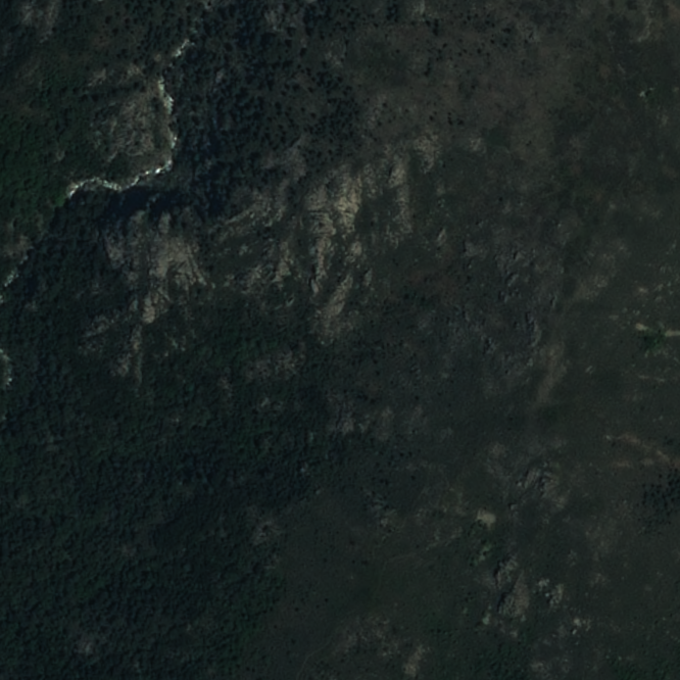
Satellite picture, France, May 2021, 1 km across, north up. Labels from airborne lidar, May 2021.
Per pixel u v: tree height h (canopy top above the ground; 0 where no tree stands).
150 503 11
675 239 0
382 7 0
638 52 0
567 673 0
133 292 6
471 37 0
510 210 0
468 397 0
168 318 6
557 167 0
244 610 12
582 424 0
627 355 0
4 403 9
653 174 0
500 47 0
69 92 22
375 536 0
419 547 9
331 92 12
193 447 14
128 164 9
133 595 17
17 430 18
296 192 12
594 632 0
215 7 24
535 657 0
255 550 8
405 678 10
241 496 10
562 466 0
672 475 10
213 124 8
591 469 0
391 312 7
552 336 0
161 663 15
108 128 9
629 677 6
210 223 11
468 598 8
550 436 0
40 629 14
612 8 0
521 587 0
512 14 0
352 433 6
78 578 24
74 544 15
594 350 0
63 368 28
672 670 7
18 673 9
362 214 0
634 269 0
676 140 0
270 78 20
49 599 17
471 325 0
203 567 14
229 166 25
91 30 7
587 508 0
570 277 0
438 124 0
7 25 9
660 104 0
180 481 9
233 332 12
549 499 0
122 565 13
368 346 6
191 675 8
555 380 0
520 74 0
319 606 6
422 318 0
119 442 23
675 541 0
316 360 12
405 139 0
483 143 0
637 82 0
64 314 20
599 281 0
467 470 0
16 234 9
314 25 19
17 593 18
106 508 13
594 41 0
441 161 0
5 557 18
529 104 0
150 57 15
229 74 9
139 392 9
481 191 0
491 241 0
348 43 10
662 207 0
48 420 16
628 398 0
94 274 8
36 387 15
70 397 28
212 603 10
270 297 6
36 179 14
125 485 10
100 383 6
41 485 18
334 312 0
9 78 10
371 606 0
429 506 0
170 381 12
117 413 10
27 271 27
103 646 6
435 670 6
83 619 9
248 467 10
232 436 18
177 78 16
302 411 8
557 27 0
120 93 16
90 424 10
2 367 12
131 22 14
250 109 22
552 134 0
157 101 22
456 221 0
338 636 0
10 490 18
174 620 6
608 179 0
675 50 0
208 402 9
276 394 12
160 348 9
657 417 0
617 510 0
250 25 17
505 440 0
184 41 25
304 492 8
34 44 7
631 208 0
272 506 11
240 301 7
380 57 0
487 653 11
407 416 0
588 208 0
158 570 16
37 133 16
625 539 0
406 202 0
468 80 0
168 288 6
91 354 6
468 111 0
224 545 7
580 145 0
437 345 0
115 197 10
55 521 14
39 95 8
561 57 0
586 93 0
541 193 0
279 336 6
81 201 10
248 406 10
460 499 0
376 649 7
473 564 8
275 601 7
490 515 0
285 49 21
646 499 8
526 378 0
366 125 0
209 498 9
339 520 0
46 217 15
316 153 10
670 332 0
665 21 0
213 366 8
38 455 21
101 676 23
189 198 7
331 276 0
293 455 15
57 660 16
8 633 20
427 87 0
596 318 0
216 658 14
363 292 7
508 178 0
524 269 0
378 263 0
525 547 0
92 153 6
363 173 0
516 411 0
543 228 0
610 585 0
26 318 8
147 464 13
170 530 14
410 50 0
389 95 0
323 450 9
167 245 0
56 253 22
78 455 10
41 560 14
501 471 0
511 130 0
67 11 7
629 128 0
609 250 0
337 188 0
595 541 0
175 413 10
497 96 0
